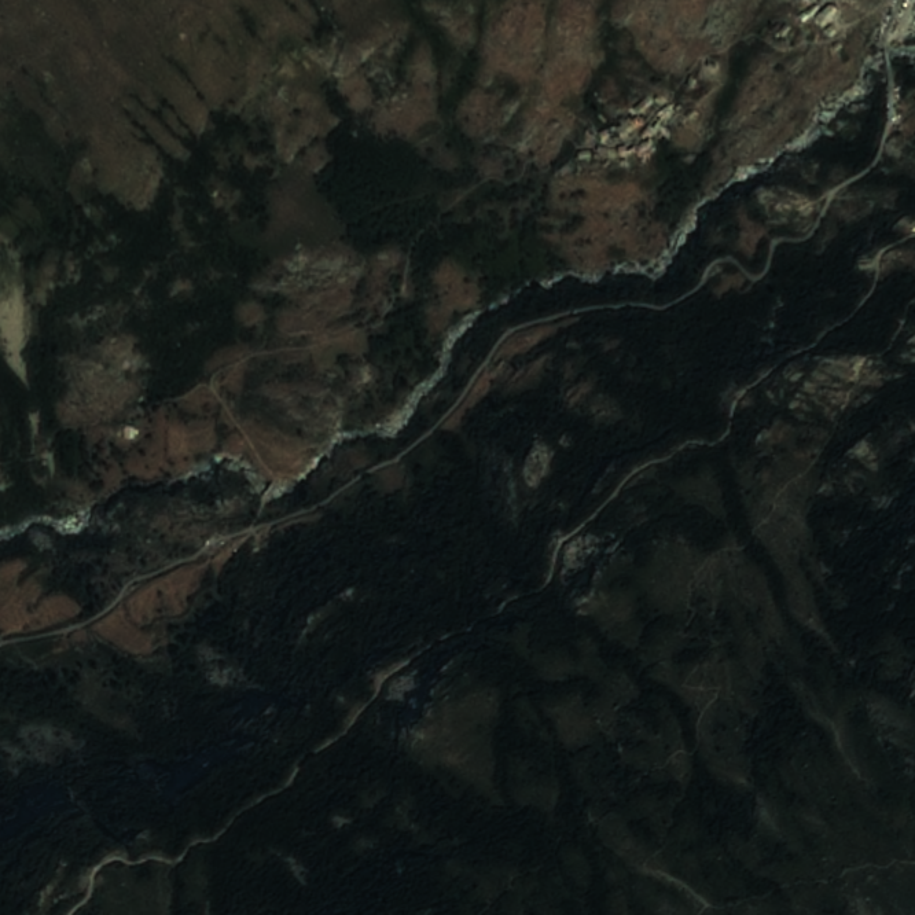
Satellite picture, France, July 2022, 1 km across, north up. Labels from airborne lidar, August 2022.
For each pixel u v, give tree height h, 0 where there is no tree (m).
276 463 0
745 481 0
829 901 0
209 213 6
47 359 11
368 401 8
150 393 9
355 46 0
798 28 0
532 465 0
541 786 0
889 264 0
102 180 0
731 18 0
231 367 0
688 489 0
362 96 0
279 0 0
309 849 6
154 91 0
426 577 7
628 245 0
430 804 5
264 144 8
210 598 10
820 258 7
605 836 0
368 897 6
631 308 9
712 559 0
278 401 0
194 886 0
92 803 6
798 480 0
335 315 0
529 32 0
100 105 0
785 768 0
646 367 6
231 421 0
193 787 17
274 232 0
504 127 0
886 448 0
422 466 10
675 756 0
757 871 0
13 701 7
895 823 0
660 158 0
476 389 0
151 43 0
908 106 0
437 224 6
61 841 7
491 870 0
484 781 0
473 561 8
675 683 0
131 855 6
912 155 0
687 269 8
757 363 12
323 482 0
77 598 8
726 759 0
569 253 0
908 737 0
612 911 0
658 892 0
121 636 0
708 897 0
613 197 0
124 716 0
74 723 9
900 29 0
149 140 6
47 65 0
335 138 6
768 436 0
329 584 7
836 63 0
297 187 0
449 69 0
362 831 6
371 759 6
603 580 0
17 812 8
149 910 0
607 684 0
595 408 0
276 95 0
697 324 6
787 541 0
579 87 0
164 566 0
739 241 0
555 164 7
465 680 0
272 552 6
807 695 0
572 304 7
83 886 0
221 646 7
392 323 10
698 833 0
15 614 0
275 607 7
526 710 0
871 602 6
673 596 0
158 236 8
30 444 8
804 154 6
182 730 7
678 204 9
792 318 6
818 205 0
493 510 7
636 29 0
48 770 5
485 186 0
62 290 6
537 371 0
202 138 6
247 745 17
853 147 7
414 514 7
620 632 0
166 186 8
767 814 0
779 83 0
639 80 0
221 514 0
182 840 5
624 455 11
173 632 9
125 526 0
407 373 8
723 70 0
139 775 6
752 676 0
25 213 0
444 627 5
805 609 0
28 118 0
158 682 7
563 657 0
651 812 0
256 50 0
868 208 0
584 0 0
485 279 7
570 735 0
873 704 0
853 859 0
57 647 0
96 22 0
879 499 0
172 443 0
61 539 10
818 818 0
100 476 6
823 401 0
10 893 7
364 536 9
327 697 7
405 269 0
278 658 7
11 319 0
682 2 0
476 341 6
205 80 0
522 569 6
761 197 0
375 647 6
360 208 10
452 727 0
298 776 7
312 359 0
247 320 0
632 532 5
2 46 0
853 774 0
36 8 0
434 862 6
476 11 0
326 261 0
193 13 0
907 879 0
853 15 0
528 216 6
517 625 12
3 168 0
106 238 6
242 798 6
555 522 8
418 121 0
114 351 0
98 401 0
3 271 0
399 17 0
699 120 0
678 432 7
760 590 0
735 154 0
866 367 0
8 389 5
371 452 0
